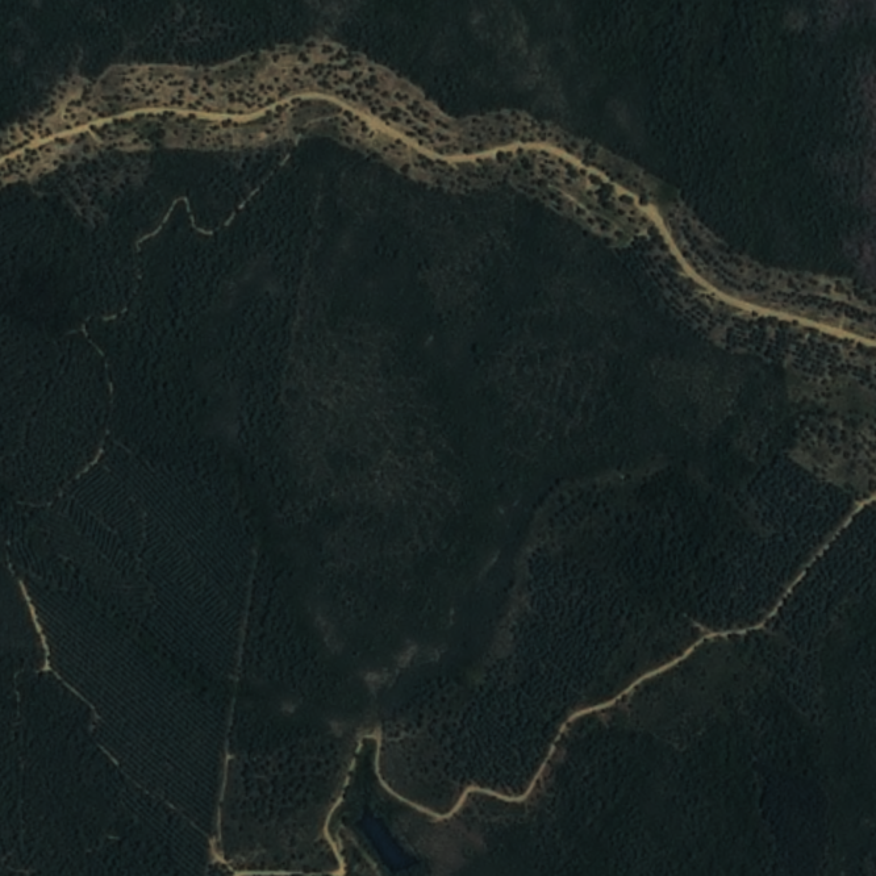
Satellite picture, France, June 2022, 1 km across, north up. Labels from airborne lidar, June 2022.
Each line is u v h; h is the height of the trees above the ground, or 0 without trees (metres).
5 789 13
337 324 8
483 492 6
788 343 9
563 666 15
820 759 10
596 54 9
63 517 10
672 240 0
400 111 8
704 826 9
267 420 15
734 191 6
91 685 13
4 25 7
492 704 13
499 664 6
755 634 12
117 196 14
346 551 9
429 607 6
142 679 12
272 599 12
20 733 12
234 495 18
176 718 14
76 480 10
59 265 9
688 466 12
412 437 6
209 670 18
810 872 15
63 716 12
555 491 14
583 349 9
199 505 15
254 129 0
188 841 11
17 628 8
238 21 10
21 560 12
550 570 9
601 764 8
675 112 14
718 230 11
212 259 14
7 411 14
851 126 9
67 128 6
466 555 9
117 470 12
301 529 8
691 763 12
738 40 7
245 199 8
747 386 6
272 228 13
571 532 10
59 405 11
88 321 6
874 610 6
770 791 14
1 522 9
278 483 12
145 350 14
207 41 11
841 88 6
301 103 6
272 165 7
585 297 6
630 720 0
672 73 13
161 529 12
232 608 14
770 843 6
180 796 13
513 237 6
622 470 11
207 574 14
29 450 8
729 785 11
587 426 7
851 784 7
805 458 0
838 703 7
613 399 6
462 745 10
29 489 9
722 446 9
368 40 11
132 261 11
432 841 0
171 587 14
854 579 12
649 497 6
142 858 6
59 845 13
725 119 5
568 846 11
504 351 6
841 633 8
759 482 10
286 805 11
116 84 0
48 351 18
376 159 11
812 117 7
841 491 11
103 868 13
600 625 12
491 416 5
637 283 10
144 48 8
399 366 7
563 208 12
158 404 15
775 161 8
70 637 10
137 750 10
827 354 11
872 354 23
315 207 7
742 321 9
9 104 7
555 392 7
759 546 13
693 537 11
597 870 6
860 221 9
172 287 6
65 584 13
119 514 13
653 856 11
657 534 8
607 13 7
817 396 7
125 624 6
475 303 11
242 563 17
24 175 6
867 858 11
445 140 9
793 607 9
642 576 13
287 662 12
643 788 8
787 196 6
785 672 12
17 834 13
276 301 10
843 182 10
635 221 8
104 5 9
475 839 0
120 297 11
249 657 10
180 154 6
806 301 7
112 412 6
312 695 7
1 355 15
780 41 12
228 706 13
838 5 7
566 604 11
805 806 17
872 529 11
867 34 8
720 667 0
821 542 13
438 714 12
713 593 12
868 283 13
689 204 12
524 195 6
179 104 7
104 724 10
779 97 13
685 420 7
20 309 9
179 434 12
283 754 9
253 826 0
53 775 11
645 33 12
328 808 0
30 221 15
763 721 11
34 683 7
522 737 15
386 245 6
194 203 7
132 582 12
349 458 6
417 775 7
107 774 9
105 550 11
